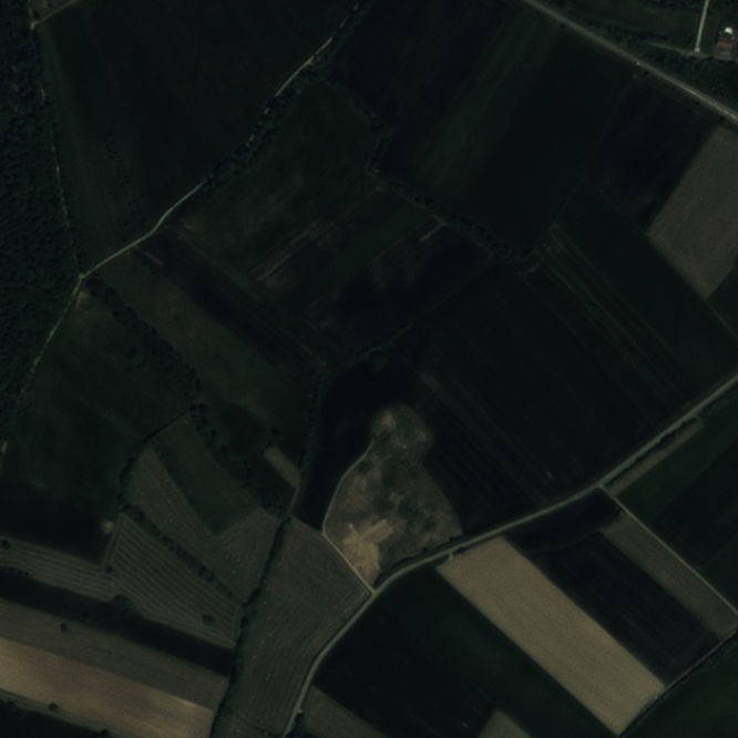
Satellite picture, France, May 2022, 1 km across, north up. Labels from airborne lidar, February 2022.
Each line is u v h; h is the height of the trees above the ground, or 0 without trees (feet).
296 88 22
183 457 0
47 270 92
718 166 0
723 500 0
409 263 0
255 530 0
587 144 0
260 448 0
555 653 0
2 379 97
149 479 0
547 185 0
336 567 0
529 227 0
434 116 0
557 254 0
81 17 0
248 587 0
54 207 68
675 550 0
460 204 0
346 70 0
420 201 26
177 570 0
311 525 0
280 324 0
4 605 0
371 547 0
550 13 0
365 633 0
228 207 0
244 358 0
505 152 0
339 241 0
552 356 0
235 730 0
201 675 0
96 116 0
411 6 0
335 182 0
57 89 0
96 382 0
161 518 0
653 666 0
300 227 0
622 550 0
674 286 0
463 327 0
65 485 0
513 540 0
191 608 0
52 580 0
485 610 0
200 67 0
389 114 0
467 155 0
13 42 86
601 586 0
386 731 0
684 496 0
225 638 0
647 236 0
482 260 0
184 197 0
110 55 0
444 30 0
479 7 0
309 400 0
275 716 0
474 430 0
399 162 0
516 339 0
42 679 0
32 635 0
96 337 0
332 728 0
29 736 0
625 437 0
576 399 0
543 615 0
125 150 0
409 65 0
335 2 0
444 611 0
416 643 0
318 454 0
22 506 0
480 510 0
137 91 0
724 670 0
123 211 0
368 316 0
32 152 78
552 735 0
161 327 0
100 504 0
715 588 0
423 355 0
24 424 0
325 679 0
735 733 0
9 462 0
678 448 0
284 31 0
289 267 0
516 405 0
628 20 0
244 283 0
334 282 0
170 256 0
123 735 0
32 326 87
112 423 0
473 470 0
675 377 0
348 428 0
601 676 0
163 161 0
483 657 0
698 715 0
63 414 0
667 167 0
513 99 0
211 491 0
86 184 0
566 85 0
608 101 0
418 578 0
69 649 0
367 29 0
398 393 0
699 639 0
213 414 0
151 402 0
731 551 0
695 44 0
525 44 0
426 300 0
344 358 0
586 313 0
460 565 0
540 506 0
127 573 0
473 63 0
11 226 100
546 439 0
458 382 0
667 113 0
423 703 0
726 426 0
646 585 0
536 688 0
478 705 0
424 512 0
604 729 0
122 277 0
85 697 0
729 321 0
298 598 0
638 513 0
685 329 0
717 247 0
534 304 0
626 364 0
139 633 0
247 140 0
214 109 0
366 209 0
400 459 0
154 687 0
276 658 0
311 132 0
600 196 0
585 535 0
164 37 0
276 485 0
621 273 0
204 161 0
